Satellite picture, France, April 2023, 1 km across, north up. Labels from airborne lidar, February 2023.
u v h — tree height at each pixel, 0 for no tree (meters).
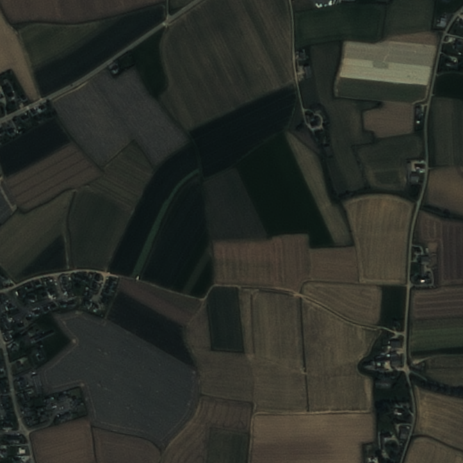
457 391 13
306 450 0
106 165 0
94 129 0
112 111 0
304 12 0
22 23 0
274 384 0
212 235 0
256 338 0
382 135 0
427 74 0
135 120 0
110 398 0
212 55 0
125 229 0
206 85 0
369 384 0
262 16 0
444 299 0
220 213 0
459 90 0
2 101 0
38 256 0
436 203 0
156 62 0
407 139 0
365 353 0
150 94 0
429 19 0
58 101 0
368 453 0
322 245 0
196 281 0
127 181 0
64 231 0
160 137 0
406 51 0
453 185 0
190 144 0
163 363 0
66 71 0
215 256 0
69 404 0
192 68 0
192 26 0
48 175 0
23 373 0
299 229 0
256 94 0
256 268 0
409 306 0
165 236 0
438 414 0
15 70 0
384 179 0
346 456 0
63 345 0
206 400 0
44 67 0
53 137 0
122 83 0
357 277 0
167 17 0
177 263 0
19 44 0
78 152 0
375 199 0
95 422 0
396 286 0
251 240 0
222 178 0
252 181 0
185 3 0
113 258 0
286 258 0
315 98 0
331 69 0
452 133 0
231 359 0
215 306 0
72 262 0
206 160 0
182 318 0
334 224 0
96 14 0
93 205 0
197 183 0
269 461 0
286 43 0
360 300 0
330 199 0
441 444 0
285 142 0
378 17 0
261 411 0
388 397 0
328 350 0
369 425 0
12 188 0
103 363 0
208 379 0
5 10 0
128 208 0
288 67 0
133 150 0
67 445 0
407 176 0
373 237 0
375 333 0
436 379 0
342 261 0
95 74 0
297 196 0
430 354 0
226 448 0
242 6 0
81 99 0
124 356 0
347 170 0
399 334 0
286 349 0
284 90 0
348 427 0
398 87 0
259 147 0
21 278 0
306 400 0
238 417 0
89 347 0
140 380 0
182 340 0
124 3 0
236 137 0
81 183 0
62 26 0
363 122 0
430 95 0
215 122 0
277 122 0
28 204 0
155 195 0
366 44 0
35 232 0
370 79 0
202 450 0
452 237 0
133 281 0
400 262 0
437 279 0
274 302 0
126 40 0
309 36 0
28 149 0
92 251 0
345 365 0
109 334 0
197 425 0
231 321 0
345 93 0
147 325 0
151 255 0
